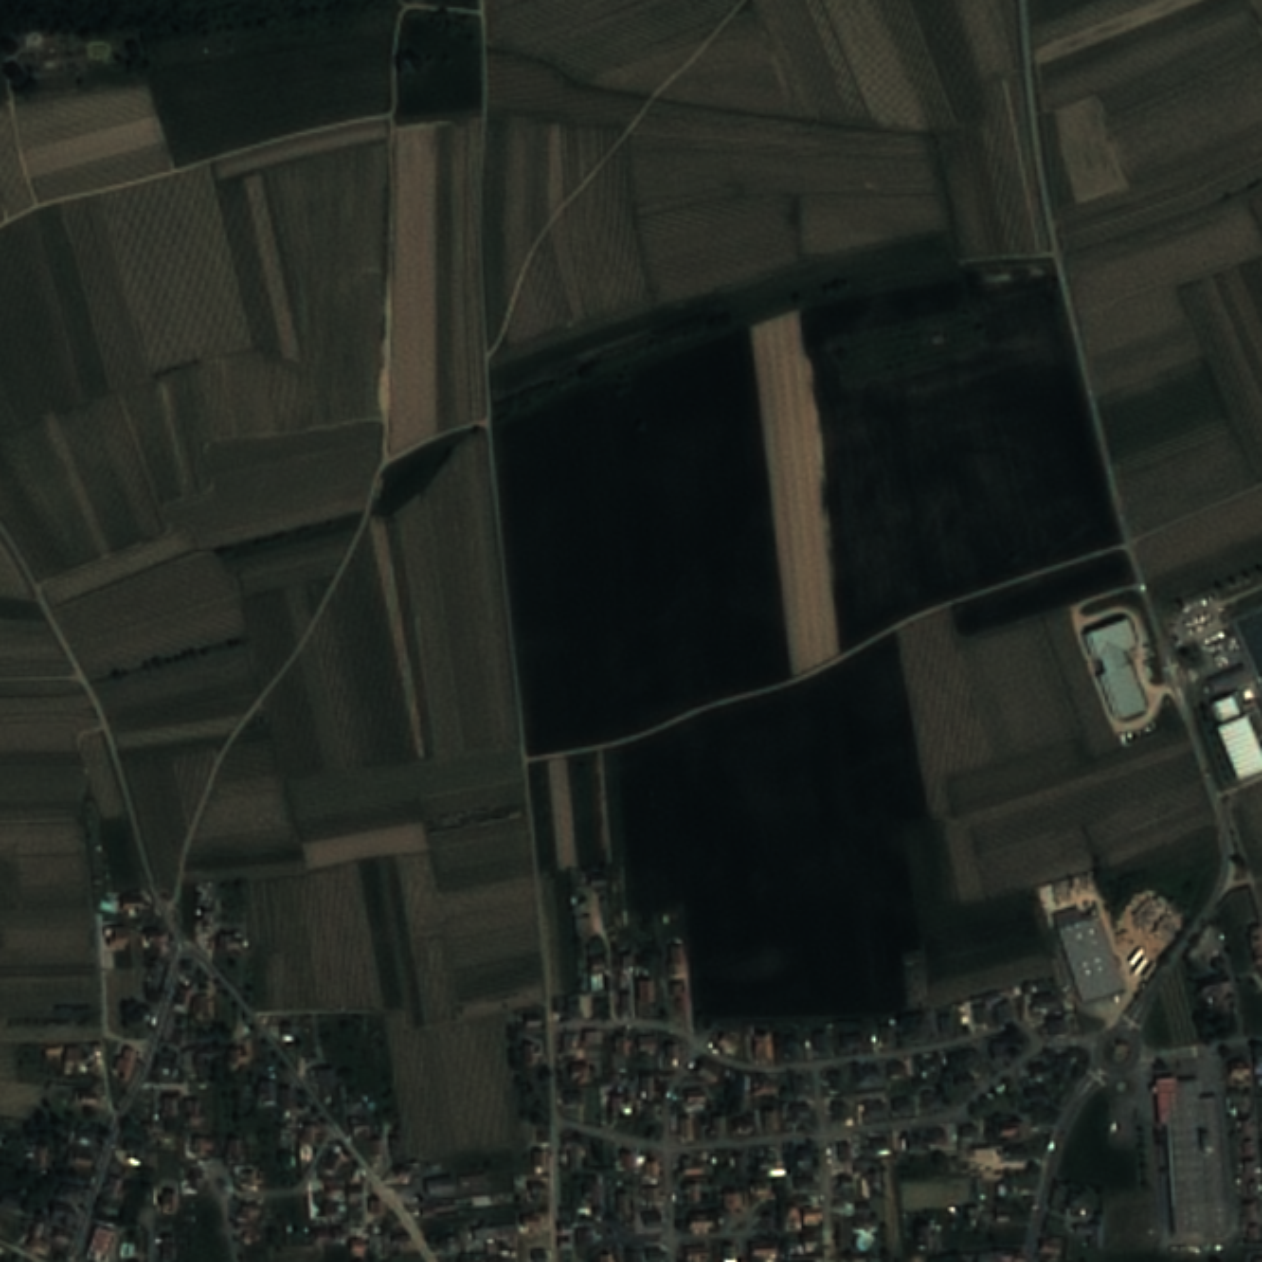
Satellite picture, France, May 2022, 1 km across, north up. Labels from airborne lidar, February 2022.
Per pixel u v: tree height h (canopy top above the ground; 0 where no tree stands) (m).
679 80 0
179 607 0
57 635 0
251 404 0
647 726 0
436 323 0
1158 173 0
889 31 0
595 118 0
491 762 0
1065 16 0
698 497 0
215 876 0
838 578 0
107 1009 0
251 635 0
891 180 0
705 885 0
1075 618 0
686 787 0
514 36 0
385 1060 0
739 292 0
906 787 0
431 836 0
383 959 0
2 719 0
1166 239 0
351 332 0
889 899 0
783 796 0
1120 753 0
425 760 0
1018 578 0
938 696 0
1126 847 0
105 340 0
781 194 0
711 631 0
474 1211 0
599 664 0
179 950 0
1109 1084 0
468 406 0
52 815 0
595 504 0
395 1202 0
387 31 0
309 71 0
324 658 0
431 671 0
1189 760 0
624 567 0
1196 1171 0
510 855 0
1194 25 0
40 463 0
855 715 0
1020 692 0
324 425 0
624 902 0
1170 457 0
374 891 0
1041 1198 0
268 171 0
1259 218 0
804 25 0
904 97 0
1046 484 0
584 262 0
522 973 0
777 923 0
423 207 0
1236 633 0
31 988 0
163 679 0
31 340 0
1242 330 0
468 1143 0
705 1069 0
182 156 0
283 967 0
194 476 0
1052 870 0
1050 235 0
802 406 0
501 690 0
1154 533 0
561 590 0
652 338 0
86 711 0
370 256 0
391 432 0
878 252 0
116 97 0
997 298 0
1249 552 0
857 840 0
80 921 0
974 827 0
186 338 0
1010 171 0
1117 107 0
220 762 0
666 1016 8
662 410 0
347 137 0
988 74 0
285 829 0
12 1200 0
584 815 0
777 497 0
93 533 0
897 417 0
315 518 0
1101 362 0
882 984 0
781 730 0
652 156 0
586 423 0
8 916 0
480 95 0
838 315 0
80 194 0
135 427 0
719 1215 7
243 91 0
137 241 0
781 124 0
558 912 0
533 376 0
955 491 0
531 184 0
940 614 0
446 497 0
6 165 0
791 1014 0
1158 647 0
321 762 0
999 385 0
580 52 0
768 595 0
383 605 0
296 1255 0
